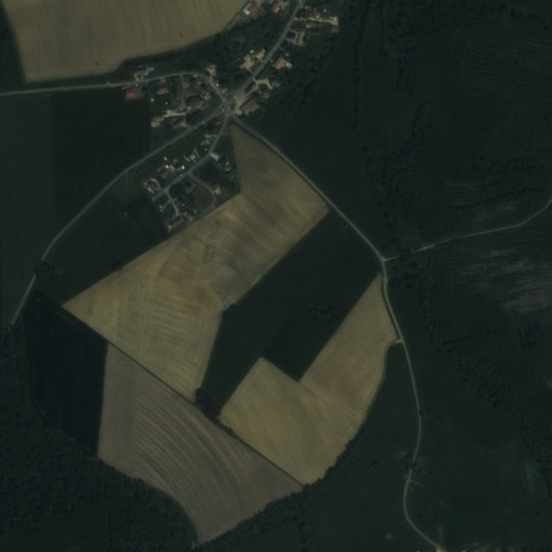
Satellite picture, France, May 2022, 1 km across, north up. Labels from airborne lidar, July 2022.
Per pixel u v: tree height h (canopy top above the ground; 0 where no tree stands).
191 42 0
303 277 0
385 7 6
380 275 0
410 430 0
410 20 25
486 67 8
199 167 0
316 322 11
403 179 17
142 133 0
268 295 0
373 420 0
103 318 0
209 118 0
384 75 0
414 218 9
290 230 0
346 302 0
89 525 9
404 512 0
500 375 13
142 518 6
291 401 0
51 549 8
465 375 20
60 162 0
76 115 0
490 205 10
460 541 0
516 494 0
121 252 0
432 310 14
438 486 0
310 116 0
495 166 21
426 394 0
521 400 14
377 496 0
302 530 18
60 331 0
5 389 27
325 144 0
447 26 12
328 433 0
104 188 0
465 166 7
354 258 0
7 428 28
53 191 0
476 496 0
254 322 0
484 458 0
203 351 0
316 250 0
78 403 0
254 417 0
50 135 0
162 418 0
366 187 0
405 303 0
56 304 0
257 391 0
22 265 0
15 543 11
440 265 8
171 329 0
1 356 21
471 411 0
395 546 0
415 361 0
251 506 0
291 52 7
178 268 0
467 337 8
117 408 0
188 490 0
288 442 0
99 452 0
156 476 0
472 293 6
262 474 0
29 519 15
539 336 27
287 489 0
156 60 8
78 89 0
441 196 8
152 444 0
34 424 23
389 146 0
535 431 23
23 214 0
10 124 0
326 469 0
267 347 0
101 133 0
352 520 0
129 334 0
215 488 0
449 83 11
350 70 0
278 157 0
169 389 0
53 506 23
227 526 0
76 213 0
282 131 0
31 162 0
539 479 0
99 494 24
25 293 0
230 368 0
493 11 21
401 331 0
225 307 0
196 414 0
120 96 0
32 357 0
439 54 8
